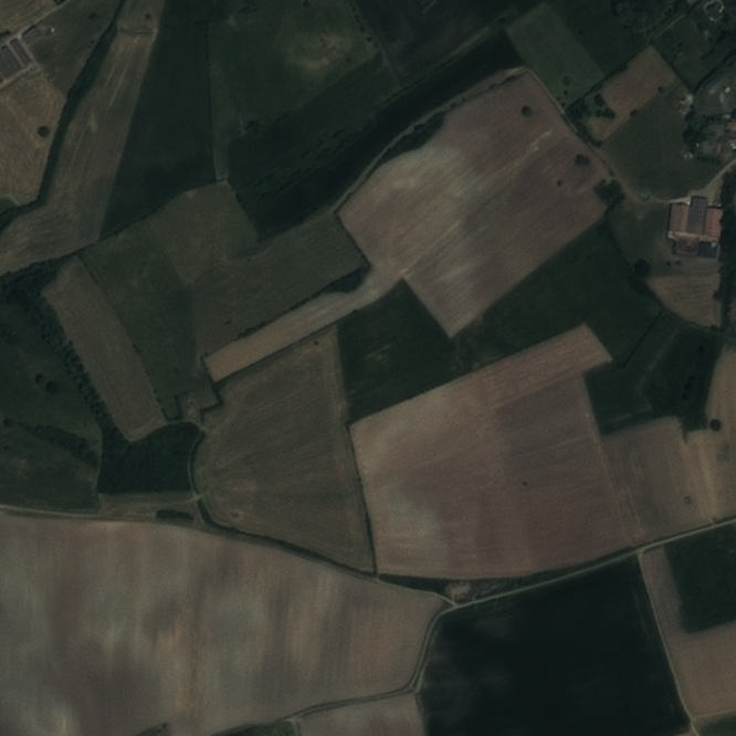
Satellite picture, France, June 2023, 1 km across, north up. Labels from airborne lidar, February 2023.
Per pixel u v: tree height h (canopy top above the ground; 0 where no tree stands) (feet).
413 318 0
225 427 0
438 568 0
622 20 75
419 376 0
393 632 0
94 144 0
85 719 0
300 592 0
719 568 0
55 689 0
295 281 0
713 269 0
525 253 0
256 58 0
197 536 0
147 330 0
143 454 23
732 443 0
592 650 0
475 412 0
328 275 0
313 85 0
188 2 0
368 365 0
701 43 0
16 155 0
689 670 0
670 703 0
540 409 0
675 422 0
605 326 0
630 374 0
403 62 0
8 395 0
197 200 0
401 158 0
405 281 0
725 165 0
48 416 0
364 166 0
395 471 0
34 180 0
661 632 0
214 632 0
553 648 0
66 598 0
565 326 0
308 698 0
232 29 0
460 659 0
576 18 0
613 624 0
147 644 0
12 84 0
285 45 0
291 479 0
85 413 0
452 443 0
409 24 0
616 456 0
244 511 0
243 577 0
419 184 0
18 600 0
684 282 0
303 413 0
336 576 0
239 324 0
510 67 0
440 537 0
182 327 0
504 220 0
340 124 0
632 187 0
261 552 0
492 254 0
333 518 0
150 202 0
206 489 0
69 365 34
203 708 0
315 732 0
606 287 0
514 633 0
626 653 0
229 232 0
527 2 0
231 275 0
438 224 0
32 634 0
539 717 0
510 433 0
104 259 0
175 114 0
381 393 0
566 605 0
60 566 0
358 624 0
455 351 0
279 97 0
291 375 0
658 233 0
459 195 0
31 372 0
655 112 0
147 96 0
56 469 0
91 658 0
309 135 0
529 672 0
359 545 0
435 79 0
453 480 0
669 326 0
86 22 0
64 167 0
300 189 0
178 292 0
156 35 0
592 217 0
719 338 0
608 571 0
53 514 0
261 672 0
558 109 0
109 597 0
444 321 0
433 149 0
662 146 0
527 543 0
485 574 0
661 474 0
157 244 0
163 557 0
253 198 0
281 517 0
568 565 0
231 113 0
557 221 0
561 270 0
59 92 0
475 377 0
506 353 0
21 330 0
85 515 0
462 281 0
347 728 0
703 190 0
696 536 0
